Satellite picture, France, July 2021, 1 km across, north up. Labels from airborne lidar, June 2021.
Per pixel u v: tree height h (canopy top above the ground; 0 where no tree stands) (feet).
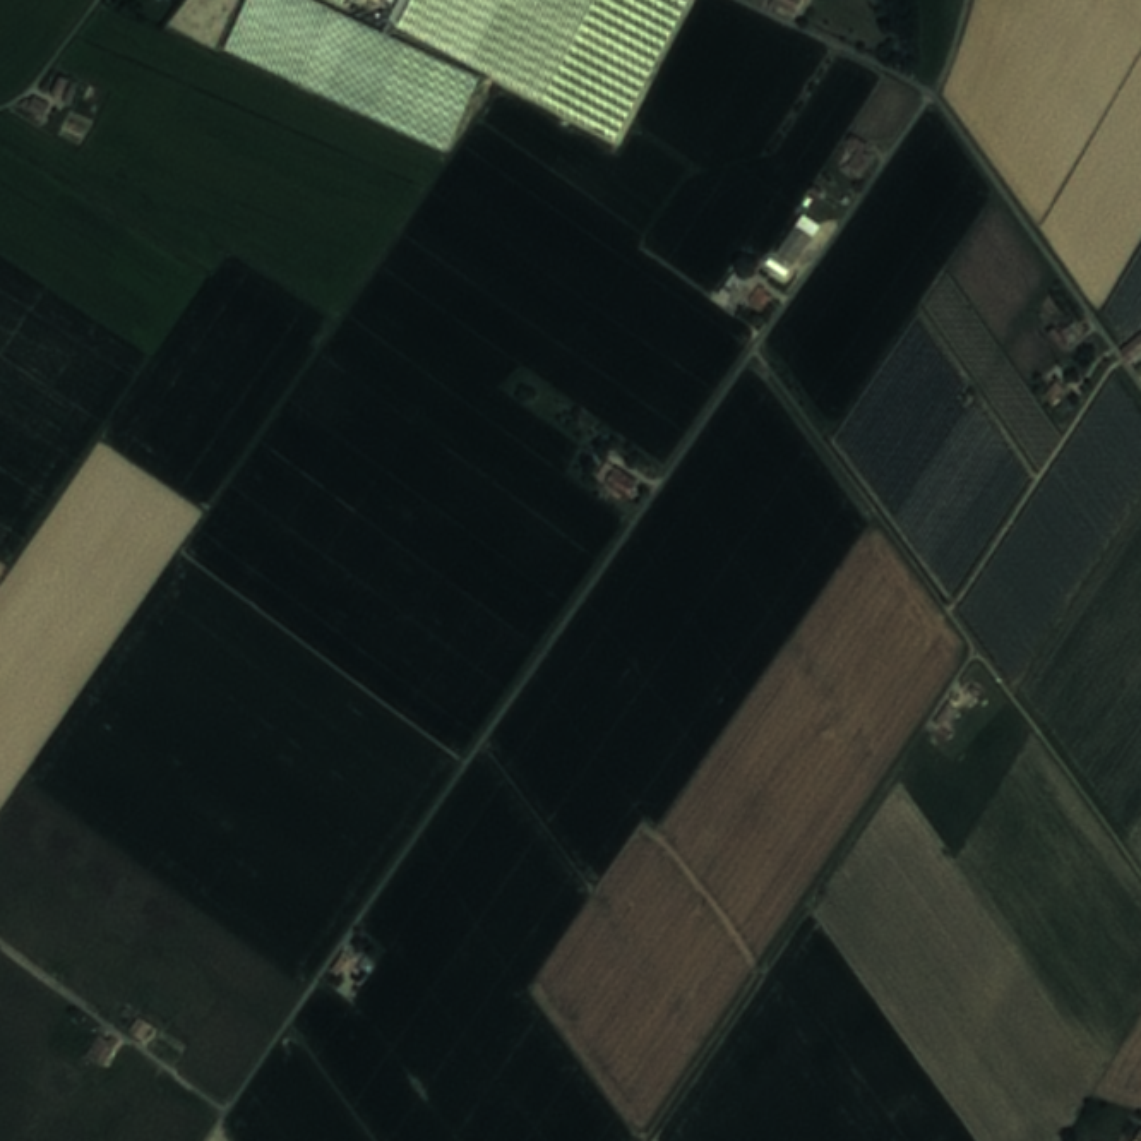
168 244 0
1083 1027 0
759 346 0
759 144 0
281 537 0
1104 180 0
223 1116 0
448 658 0
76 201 0
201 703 0
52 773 0
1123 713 0
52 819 0
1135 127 0
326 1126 0
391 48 0
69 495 0
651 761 0
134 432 0
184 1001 0
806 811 0
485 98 0
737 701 0
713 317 0
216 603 0
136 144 0
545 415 0
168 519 0
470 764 0
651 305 0
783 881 0
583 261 0
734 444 0
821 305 0
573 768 0
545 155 0
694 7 0
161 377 0
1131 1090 0
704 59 0
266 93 0
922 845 0
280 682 0
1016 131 0
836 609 0
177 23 0
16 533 0
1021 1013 0
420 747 0
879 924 0
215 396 0
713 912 0
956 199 0
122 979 0
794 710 0
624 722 0
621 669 0
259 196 0
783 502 0
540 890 0
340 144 0
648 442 0
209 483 0
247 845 0
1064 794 0
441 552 0
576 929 0
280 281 0
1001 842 0
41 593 0
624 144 0
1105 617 0
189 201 0
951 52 0
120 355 0
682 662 0
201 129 0
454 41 0
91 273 0
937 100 0
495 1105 0
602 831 0
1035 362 0
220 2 0
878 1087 0
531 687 0
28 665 0
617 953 0
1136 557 0
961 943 0
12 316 0
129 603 0
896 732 0
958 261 0
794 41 0
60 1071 0
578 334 0
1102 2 0
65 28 0
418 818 0
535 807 0
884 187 0
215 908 0
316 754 0
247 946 0
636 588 0
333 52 0
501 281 0
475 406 0
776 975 0
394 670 0
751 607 0
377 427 0
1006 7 0
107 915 0
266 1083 0
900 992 0
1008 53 0
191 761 0
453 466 0
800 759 0
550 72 0
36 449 0
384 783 0
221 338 0
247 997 0
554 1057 0
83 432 0
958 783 0
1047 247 0
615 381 0
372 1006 0
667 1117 0
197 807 0
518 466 0
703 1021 0
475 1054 0
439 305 0
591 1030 0
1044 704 0
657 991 0
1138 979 0
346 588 0
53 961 0
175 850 0
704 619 0
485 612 0
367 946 30
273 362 0
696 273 0
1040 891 0
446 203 0
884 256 0
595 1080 0
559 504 0
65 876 0
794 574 0
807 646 0
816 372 0
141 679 0
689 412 0
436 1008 0
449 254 0
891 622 0
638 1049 0
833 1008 0
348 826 0
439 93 0
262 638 0
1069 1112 0
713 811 0
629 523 0
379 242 0
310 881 0
